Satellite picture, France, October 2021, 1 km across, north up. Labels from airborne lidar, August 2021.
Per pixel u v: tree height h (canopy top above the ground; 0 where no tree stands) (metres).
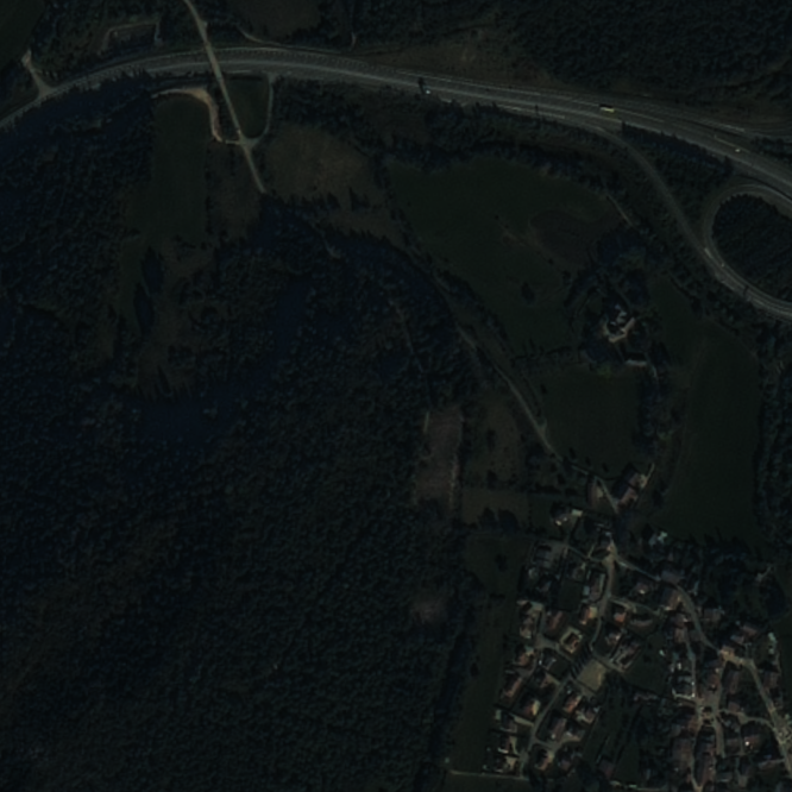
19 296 15
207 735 23
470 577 18
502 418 0
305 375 26
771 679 0
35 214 26
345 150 0
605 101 0
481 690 0
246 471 19
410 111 13
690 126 0
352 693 23
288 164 0
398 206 15
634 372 0
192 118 0
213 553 25
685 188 10
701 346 0
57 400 34
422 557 23
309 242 22
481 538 0
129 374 15
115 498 16
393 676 22
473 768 0
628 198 11
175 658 9
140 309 0
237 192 0
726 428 0
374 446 19
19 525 18
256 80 0
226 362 9
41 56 11
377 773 24
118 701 15
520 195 0
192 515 25
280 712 6
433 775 14
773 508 10
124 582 14
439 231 0
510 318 0
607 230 0
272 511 21
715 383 0
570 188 0
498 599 6
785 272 12
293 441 13
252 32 7
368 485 20
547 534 7
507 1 14
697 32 18
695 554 6
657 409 35
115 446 21
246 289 9
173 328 0
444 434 0
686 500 0
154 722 14
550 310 0
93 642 16
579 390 0
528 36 18
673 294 0
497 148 16
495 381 12
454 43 6
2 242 29
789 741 0
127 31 0
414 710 19
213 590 21
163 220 0
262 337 10
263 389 22
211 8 13
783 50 21
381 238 0
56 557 17
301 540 18
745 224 13
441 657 18
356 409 14
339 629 21
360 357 18
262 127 0
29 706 16
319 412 16
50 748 15
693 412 0
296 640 23
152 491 25
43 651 12
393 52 10
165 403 0
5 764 19
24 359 20
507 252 0
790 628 0
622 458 0
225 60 0
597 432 0
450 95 0
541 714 0
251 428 26
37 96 0
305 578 27
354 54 0
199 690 20
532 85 0
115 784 20
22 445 30
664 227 8
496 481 13
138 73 0
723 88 11
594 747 0
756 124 0
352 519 21
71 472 26
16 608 19
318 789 21
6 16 0
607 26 22
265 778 22
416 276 15
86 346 12
